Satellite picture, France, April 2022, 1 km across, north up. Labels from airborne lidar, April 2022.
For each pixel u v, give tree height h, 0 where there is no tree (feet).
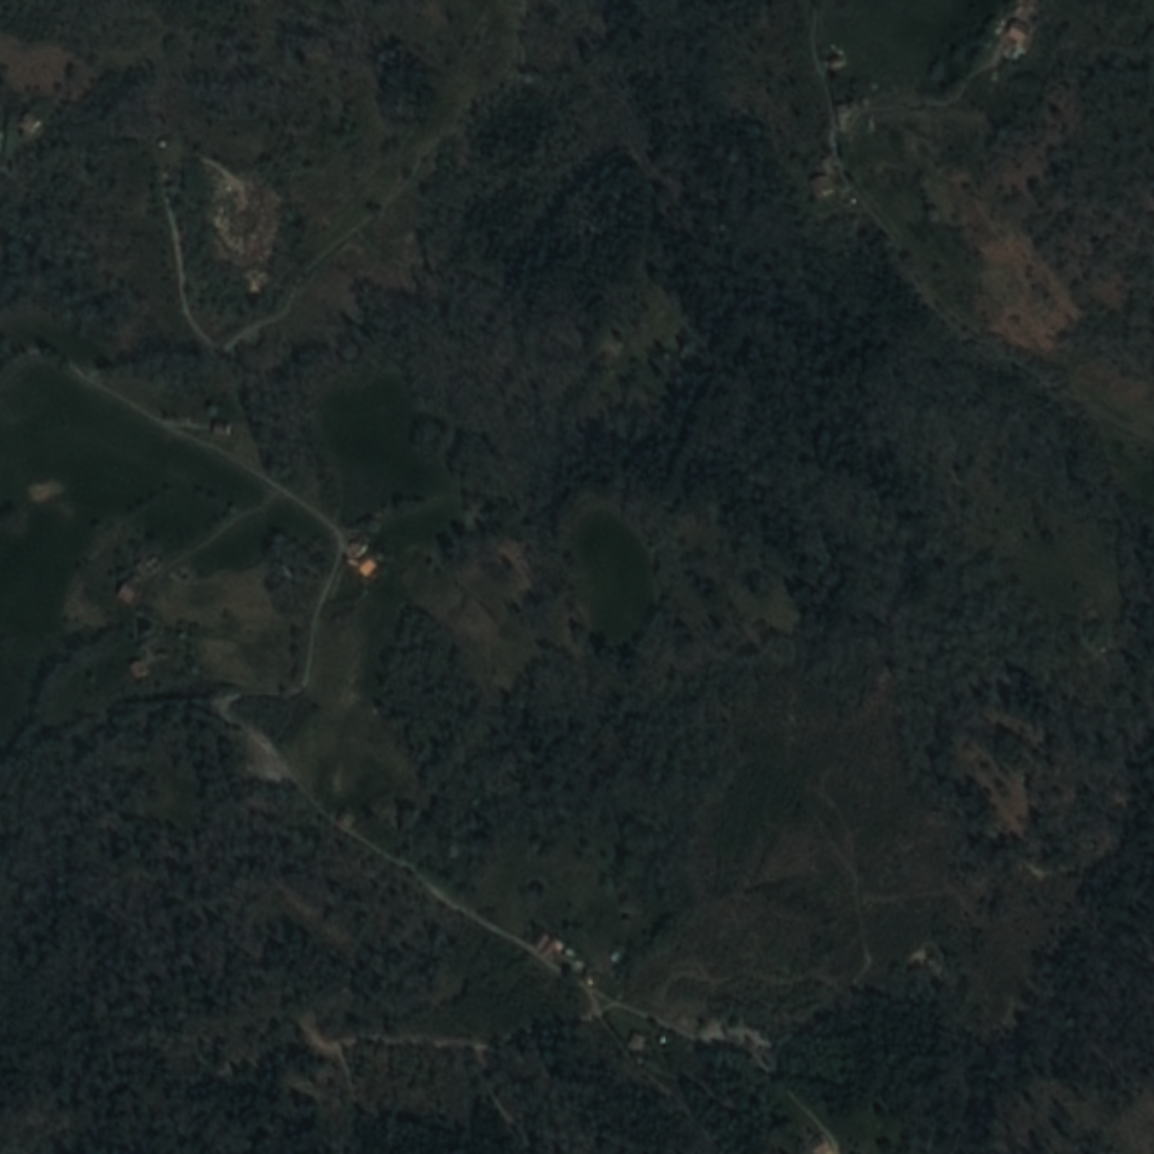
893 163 0
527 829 66
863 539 76
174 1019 59
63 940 64
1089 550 0
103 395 0
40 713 41
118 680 0
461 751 80
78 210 36
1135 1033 85
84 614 0
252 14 29
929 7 0
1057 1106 0
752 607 0
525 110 34
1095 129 0
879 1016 73
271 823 20
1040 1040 108
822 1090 86
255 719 22
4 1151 34
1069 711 29
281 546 56
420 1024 29
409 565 0
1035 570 0
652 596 0
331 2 0
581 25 43
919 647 74
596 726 64
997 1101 98
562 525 68
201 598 0
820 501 83
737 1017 35
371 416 0
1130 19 0
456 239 33
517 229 34
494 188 23
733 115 39
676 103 24
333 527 0
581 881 0
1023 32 0
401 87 53
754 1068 76
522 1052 31
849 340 96
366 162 54
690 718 65
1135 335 40
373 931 34
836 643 53
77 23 43
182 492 0
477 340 79
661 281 95
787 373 95
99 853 20
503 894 0
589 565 0
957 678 49
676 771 60
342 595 0
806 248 39
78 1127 30
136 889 31
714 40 59
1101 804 59
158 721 26
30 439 0
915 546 28
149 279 0
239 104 50
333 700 0
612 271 99
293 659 32
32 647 0
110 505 0
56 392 0
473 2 0
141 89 61
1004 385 44
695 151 46
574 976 49
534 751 25
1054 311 23
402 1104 39
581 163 19
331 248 0
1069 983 81
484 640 0
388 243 0
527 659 0
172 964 58
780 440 94
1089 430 42
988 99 0
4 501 0
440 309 81
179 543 0
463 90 0
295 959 65
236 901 46
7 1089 44
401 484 0
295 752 0
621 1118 50
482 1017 23
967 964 28
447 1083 36
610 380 49
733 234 28
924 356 73
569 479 81
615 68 46
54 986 50
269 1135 23
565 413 72
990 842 24
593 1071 48
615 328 79
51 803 45
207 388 59
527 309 88
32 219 55
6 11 23
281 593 44
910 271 50
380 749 0
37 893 57
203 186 39
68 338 0
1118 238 19
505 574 59
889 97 0
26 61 0
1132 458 0
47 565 0
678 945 33
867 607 70
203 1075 52
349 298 0
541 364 84
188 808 0
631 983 46
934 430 73
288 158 43
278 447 68
